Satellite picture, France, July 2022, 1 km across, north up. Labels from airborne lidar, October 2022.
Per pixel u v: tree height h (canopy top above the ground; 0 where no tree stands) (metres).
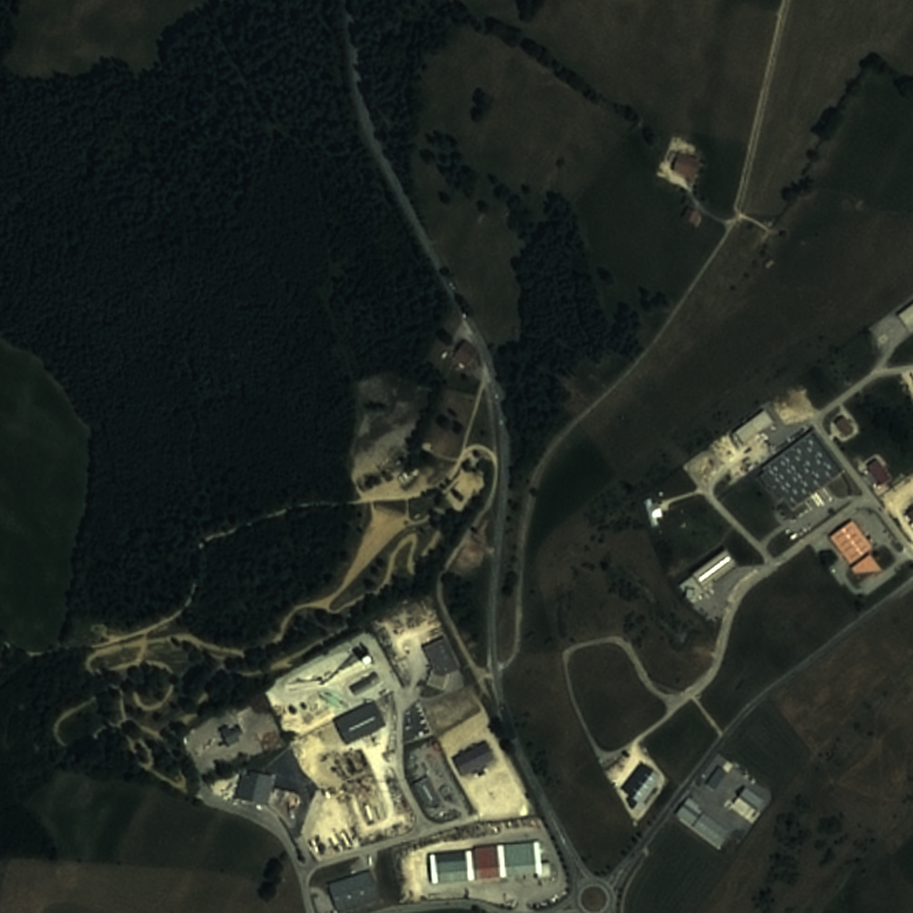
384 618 0
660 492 0
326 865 0
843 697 0
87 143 23
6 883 0
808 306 0
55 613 0
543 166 0
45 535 0
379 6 25
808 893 0
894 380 0
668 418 0
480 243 0
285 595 9
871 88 0
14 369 0
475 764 0
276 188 10
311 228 12
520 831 0
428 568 20
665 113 0
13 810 11
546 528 0
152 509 17
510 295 0
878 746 0
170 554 23
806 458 0
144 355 18
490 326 0
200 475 14
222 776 19
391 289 17
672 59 0
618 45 0
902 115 0
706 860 0
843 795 0
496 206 0
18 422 0
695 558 0
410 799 0
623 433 0
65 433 0
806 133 0
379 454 0
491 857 0
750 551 0
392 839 0
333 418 18
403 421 0
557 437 0
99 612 8
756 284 0
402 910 0
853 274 0
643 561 0
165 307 22
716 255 0
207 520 16
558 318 24
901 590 0
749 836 0
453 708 0
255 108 38
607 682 0
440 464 0
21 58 0
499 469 0
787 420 0
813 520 0
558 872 0
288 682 0
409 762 0
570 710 0
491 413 0
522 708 0
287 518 7
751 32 0
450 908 0
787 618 0
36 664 13
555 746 0
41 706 20
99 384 21
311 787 0
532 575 0
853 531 0
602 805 0
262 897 14
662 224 0
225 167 17
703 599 0
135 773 19
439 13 13
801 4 0
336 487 13
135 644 0
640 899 0
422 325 8
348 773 0
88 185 21
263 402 17
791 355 0
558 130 0
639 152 0
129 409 19
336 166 12
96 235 25
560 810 0
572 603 0
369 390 0
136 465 17
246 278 17
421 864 0
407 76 21
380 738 0
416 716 0
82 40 0
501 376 10
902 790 0
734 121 0
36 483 0
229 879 0
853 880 0
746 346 0
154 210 35
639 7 0
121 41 0
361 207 18
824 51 0
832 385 0
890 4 0
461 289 0
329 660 0
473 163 0
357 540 0
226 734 0
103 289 20
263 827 0
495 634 0
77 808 0
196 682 26
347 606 0
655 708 0
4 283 22
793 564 0
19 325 27
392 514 0
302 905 0
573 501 0
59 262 21
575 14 0
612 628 0
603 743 0
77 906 0
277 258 14
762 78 0
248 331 22
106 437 19
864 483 0
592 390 0
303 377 20
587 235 0
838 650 0
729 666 0
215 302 19
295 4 33
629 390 0
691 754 0
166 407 22
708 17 0
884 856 0
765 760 0
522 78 0
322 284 13
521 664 0
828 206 0
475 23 23
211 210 24
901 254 0
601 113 0
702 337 0
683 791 0
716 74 0
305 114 31
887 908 0
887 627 0
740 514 0
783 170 0
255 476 13
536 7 19
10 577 0
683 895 0
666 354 0
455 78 0
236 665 24
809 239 0
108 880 0
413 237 10
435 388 13
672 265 0
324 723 0
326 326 11
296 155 11
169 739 21
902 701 0
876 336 0
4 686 9
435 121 0
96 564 7
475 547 0
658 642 0
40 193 23
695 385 0
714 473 0
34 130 22
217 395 20
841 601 0
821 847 5
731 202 0
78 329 23
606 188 0
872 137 0
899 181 0
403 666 0
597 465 0
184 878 0
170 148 18
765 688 0
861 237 0
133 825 0
